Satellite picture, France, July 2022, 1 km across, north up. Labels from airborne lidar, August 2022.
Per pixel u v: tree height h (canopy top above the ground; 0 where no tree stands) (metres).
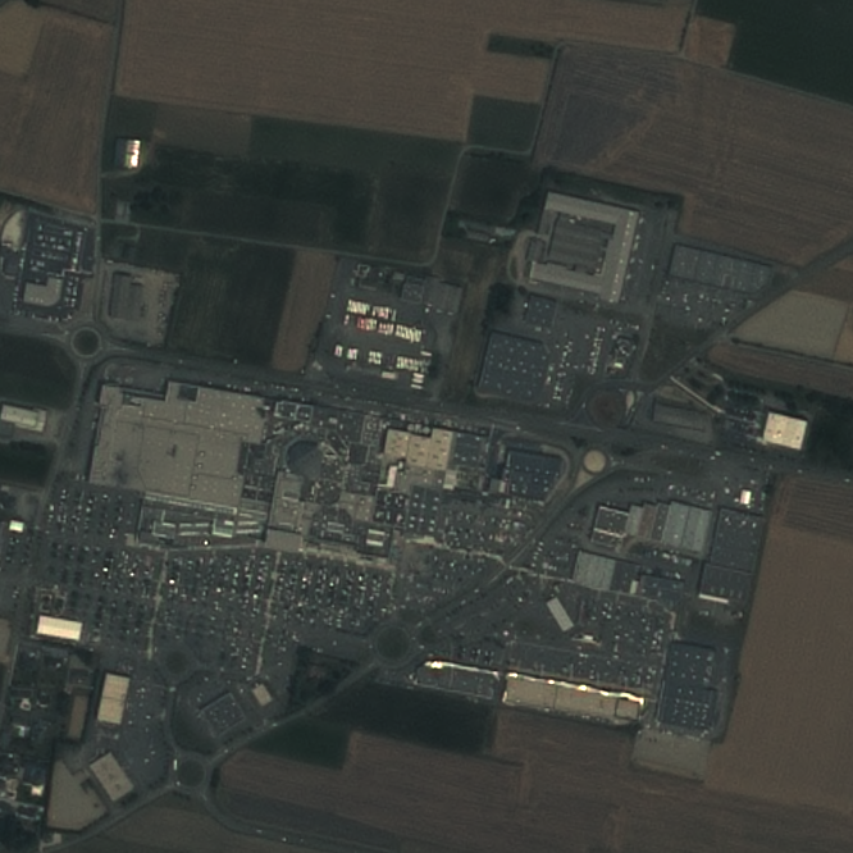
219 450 0
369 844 0
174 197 0
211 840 0
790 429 0
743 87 0
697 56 0
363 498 0
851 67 0
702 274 0
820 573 0
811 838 0
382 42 0
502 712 0
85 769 0
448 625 0
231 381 0
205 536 0
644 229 0
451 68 0
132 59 0
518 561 0
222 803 0
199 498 0
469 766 0
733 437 0
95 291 0
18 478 0
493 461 0
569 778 0
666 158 0
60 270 0
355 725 0
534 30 0
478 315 0
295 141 0
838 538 0
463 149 0
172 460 0
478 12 0
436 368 10
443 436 0
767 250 0
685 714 0
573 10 0
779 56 0
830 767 0
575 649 0
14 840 16
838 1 0
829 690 0
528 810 0
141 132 0
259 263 0
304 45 0
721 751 0
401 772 0
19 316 0
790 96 0
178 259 0
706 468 0
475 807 0
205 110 0
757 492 0
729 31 0
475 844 0
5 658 0
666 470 0
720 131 0
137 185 0
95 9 0
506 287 7
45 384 0
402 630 0
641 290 0
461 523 0
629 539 0
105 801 0
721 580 0
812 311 0
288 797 0
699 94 0
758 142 0
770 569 0
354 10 0
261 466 0
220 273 0
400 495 0
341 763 0
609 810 0
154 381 0
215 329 0
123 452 0
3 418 0
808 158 0
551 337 0
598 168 0
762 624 0
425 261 0
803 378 0
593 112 0
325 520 0
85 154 0
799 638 0
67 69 0
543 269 0
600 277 0
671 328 0
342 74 0
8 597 0
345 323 0
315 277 0
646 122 0
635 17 0
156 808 0
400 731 0
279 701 0
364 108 0
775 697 0
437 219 0
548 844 0
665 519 0
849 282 0
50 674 0
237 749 0
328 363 0
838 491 0
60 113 0
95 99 0
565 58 0
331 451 0
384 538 0
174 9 0
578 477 0
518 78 0
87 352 0
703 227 0
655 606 0
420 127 0
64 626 0
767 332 0
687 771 0
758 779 0
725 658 0
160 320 0
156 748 0
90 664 13
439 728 0
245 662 0
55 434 0
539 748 0
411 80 0
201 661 0
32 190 0
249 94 0
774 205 0
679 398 0
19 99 0
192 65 0
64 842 0
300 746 0
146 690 0
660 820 0
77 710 0
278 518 0
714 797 0
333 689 12
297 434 0
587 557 0
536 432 0
